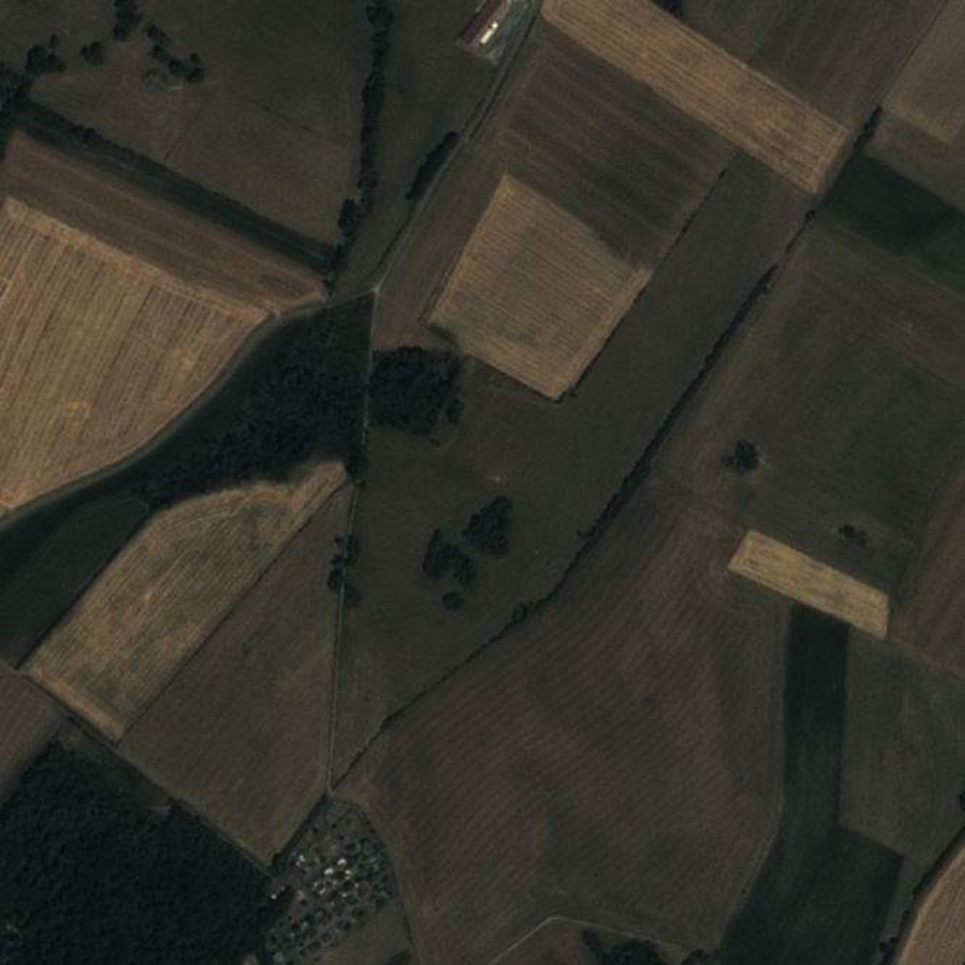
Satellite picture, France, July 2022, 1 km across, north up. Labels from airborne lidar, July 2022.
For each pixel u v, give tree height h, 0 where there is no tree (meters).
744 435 0
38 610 0
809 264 0
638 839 0
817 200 0
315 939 8
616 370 0
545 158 0
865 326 0
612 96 0
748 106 0
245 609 0
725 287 0
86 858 26
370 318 0
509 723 0
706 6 0
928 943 0
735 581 0
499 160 0
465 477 0
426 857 0
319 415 19
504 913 0
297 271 0
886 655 0
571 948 0
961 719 0
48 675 0
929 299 0
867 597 0
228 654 0
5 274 0
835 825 0
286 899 12
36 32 0
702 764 0
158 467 0
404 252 0
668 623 0
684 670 0
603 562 0
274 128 0
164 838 14
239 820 0
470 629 0
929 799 0
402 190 0
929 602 0
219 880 17
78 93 0
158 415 0
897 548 0
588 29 0
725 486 0
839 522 0
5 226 0
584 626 0
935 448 0
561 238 0
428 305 0
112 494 0
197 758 0
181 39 0
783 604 0
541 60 0
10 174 0
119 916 15
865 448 0
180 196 0
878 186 0
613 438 0
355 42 0
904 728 0
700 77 0
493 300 0
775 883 0
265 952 11
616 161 0
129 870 24
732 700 0
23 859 25
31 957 26
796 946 0
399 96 0
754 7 0
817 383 0
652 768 0
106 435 0
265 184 0
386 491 0
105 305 0
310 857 0
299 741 0
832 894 0
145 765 0
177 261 0
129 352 0
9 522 0
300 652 0
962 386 0
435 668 0
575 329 0
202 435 0
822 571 0
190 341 0
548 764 0
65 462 0
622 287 0
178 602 0
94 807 22
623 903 0
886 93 0
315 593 0
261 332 0
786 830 0
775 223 0
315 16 0
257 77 0
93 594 0
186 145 0
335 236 0
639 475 7
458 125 0
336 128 0
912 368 0
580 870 0
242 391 0
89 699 0
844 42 0
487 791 0
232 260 0
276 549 0
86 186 0
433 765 0
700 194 0
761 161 0
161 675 0
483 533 10
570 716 0
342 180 0
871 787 0
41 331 0
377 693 0
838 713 0
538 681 0
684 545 0
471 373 0
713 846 0
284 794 0
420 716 0
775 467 0
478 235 0
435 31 0
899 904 0
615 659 0
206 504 0
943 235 0
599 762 0
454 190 0
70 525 0
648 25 0
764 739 0
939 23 0
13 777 0
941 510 0
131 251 0
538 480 0
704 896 0
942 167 0
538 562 0
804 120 0
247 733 0
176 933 16
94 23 0
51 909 25
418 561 0
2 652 0
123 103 0
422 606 0
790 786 0
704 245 0
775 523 0
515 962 0
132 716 0
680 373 0
